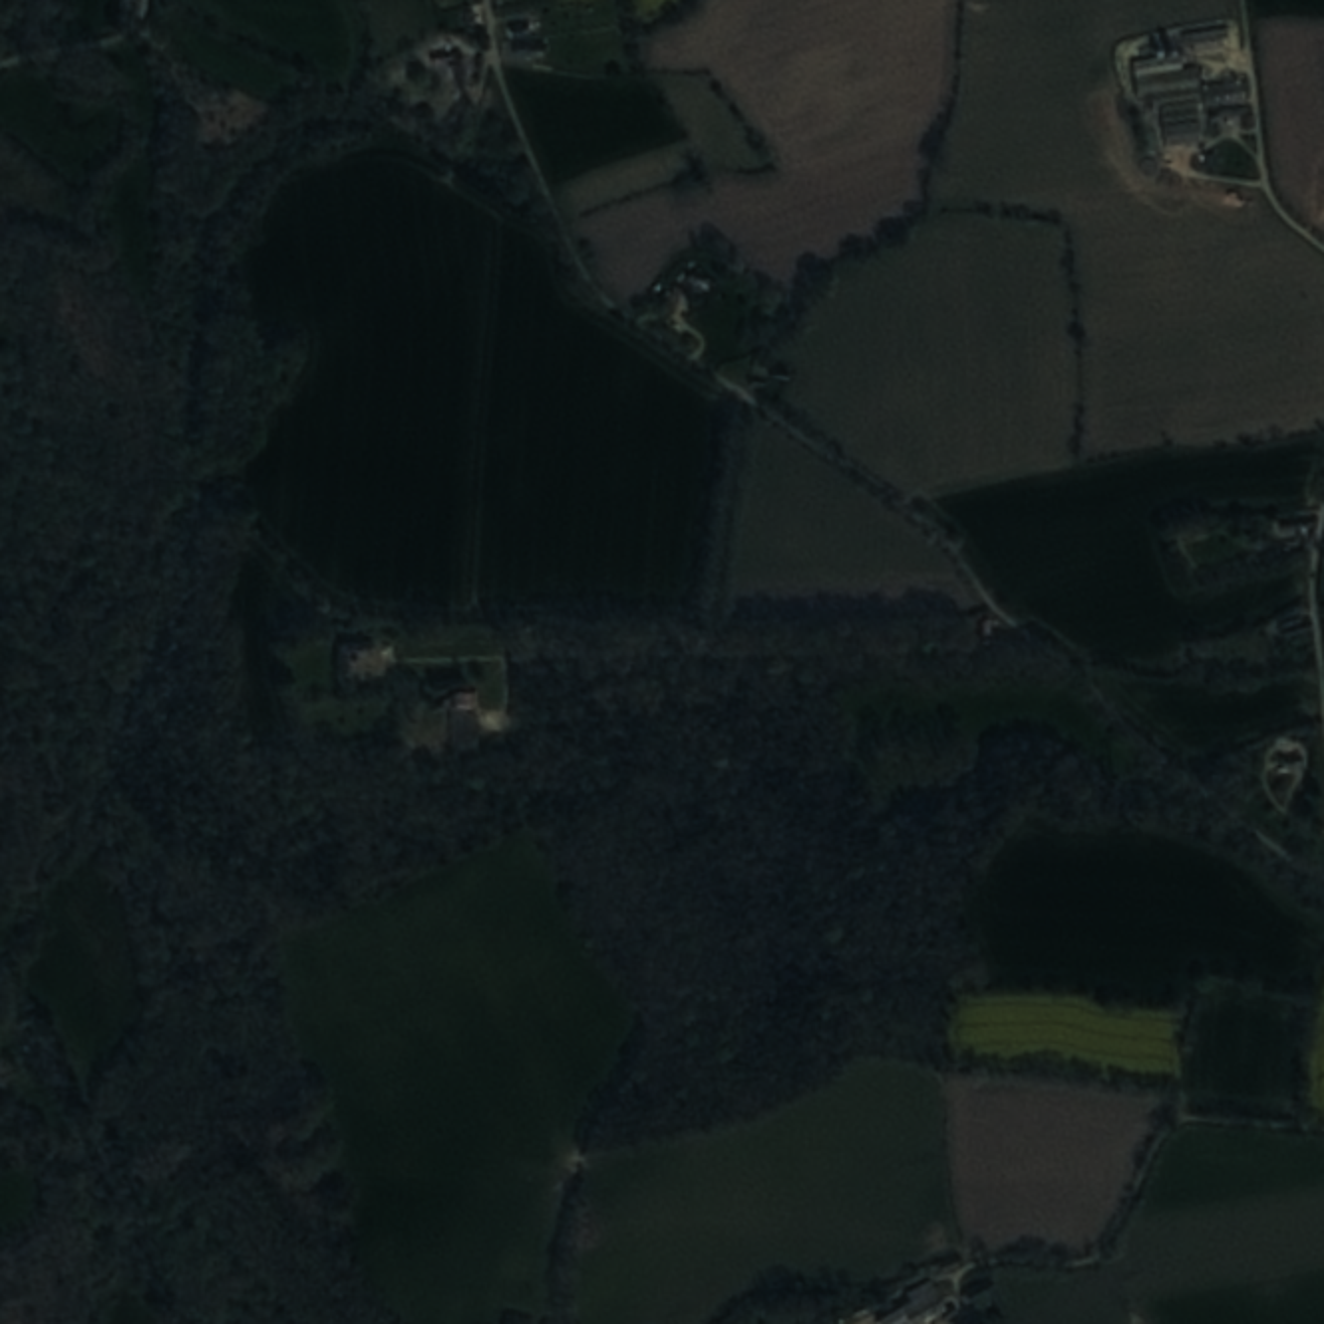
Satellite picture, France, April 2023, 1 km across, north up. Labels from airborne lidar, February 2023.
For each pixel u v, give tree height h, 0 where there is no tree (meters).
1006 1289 0
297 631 22
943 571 0
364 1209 0
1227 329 0
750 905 25
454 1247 0
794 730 29
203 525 26
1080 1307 0
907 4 0
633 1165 0
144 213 0
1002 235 0
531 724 18
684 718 19
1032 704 0
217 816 19
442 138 12
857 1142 0
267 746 16
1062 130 0
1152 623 0
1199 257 0
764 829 22
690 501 0
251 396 21
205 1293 18
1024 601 0
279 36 0
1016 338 0
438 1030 0
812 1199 0
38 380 13
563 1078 0
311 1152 13
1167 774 19
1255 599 0
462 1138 0
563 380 0
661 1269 0
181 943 8
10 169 0
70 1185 22
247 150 7
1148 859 0
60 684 26
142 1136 10
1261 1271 0
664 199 0
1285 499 0
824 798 27
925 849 26
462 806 24
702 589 21
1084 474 0
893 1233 0
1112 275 0
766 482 0
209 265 23
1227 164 0
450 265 0
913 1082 0
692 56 0
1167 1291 0
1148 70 0
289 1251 18
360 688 16
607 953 22
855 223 0
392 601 0
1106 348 0
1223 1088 0
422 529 0
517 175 13
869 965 18
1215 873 0
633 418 0
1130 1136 0
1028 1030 0
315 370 0
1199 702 0
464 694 0
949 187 0
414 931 0
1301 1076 15
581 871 24
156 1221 12
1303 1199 0
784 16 0
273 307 0
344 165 0
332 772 20
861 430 0
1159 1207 0
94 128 0
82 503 14
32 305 14
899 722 0
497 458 0
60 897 0
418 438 0
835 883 22
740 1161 0
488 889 0
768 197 0
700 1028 19
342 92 8
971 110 0
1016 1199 0
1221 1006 0
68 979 0
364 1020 0
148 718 17
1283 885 9
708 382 10
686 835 29
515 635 17
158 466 19
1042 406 0
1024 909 0
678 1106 17
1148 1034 0
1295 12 0
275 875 24
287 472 0
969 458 0
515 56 0
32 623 21
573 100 0
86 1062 0
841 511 0
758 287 15
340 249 0
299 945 0
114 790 17
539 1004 0
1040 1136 0
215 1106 15
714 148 0
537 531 0
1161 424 0
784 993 23
